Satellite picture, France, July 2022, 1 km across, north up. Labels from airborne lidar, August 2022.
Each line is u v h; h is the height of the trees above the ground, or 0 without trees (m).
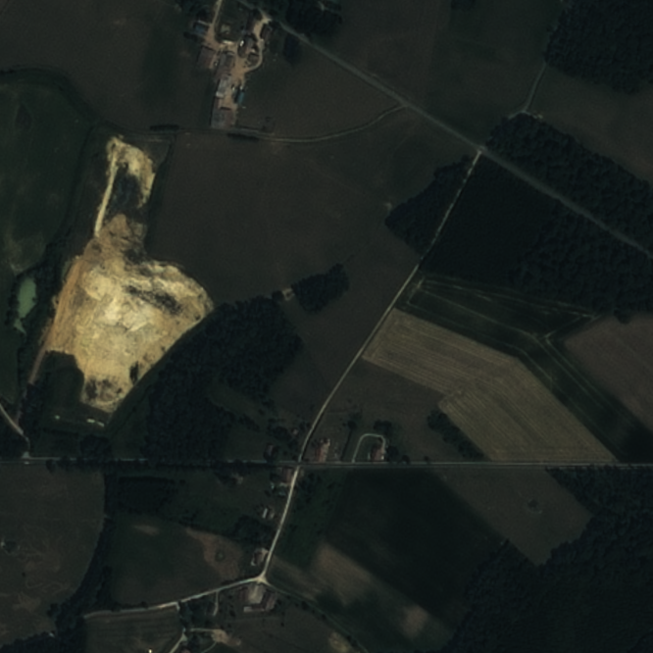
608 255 17
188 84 0
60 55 0
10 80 0
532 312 0
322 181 0
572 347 0
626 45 23
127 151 0
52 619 14
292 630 0
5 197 0
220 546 0
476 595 15
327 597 0
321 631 0
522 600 24
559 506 0
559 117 0
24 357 15
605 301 17
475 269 9
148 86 0
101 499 0
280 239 0
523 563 9
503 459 0
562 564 21
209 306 0
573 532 0
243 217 0
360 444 0
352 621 0
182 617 10
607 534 26
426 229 19
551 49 13
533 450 0
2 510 0
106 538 16
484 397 0
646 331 0
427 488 0
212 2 0
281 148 0
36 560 0
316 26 16
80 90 0
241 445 0
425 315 0
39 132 0
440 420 8
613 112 0
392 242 0
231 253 0
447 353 0
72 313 0
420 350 0
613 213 21
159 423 27
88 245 0
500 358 0
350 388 0
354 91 0
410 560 0
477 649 21
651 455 0
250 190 0
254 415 0
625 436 0
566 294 19
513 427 0
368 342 0
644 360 0
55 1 0
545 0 0
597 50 23
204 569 0
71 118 0
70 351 0
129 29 0
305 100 0
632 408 0
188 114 0
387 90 0
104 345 0
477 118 0
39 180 0
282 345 27
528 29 0
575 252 23
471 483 0
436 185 14
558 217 23
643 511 10
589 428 0
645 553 19
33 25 0
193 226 0
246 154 0
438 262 11
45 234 0
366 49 0
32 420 17
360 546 0
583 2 25
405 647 0
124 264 0
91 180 0
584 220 20
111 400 0
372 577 0
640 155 0
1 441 22
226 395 0
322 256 0
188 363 30
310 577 0
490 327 0
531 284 22
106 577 17
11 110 0
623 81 19
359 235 0
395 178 0
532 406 0
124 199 0
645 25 23
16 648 17
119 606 11
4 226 0
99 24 0
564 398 0
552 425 0
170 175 0
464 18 0
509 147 19
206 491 0
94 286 0
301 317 0
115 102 0
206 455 24
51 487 0
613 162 16
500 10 0
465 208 10
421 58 0
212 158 0
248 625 0
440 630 0
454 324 0
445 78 0
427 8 0
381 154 0
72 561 0
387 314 0
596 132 0
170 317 0
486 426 0
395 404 0
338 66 0
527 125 26
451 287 0
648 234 22
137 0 0
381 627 0
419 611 0
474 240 8
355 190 0
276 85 0
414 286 0
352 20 0
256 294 0
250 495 0
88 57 0
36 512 0
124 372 0
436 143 0
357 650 12
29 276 6
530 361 0
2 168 0
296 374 0
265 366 11
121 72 0
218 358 29
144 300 0
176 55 0
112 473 18
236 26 0
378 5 0
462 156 0
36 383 6
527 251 8
